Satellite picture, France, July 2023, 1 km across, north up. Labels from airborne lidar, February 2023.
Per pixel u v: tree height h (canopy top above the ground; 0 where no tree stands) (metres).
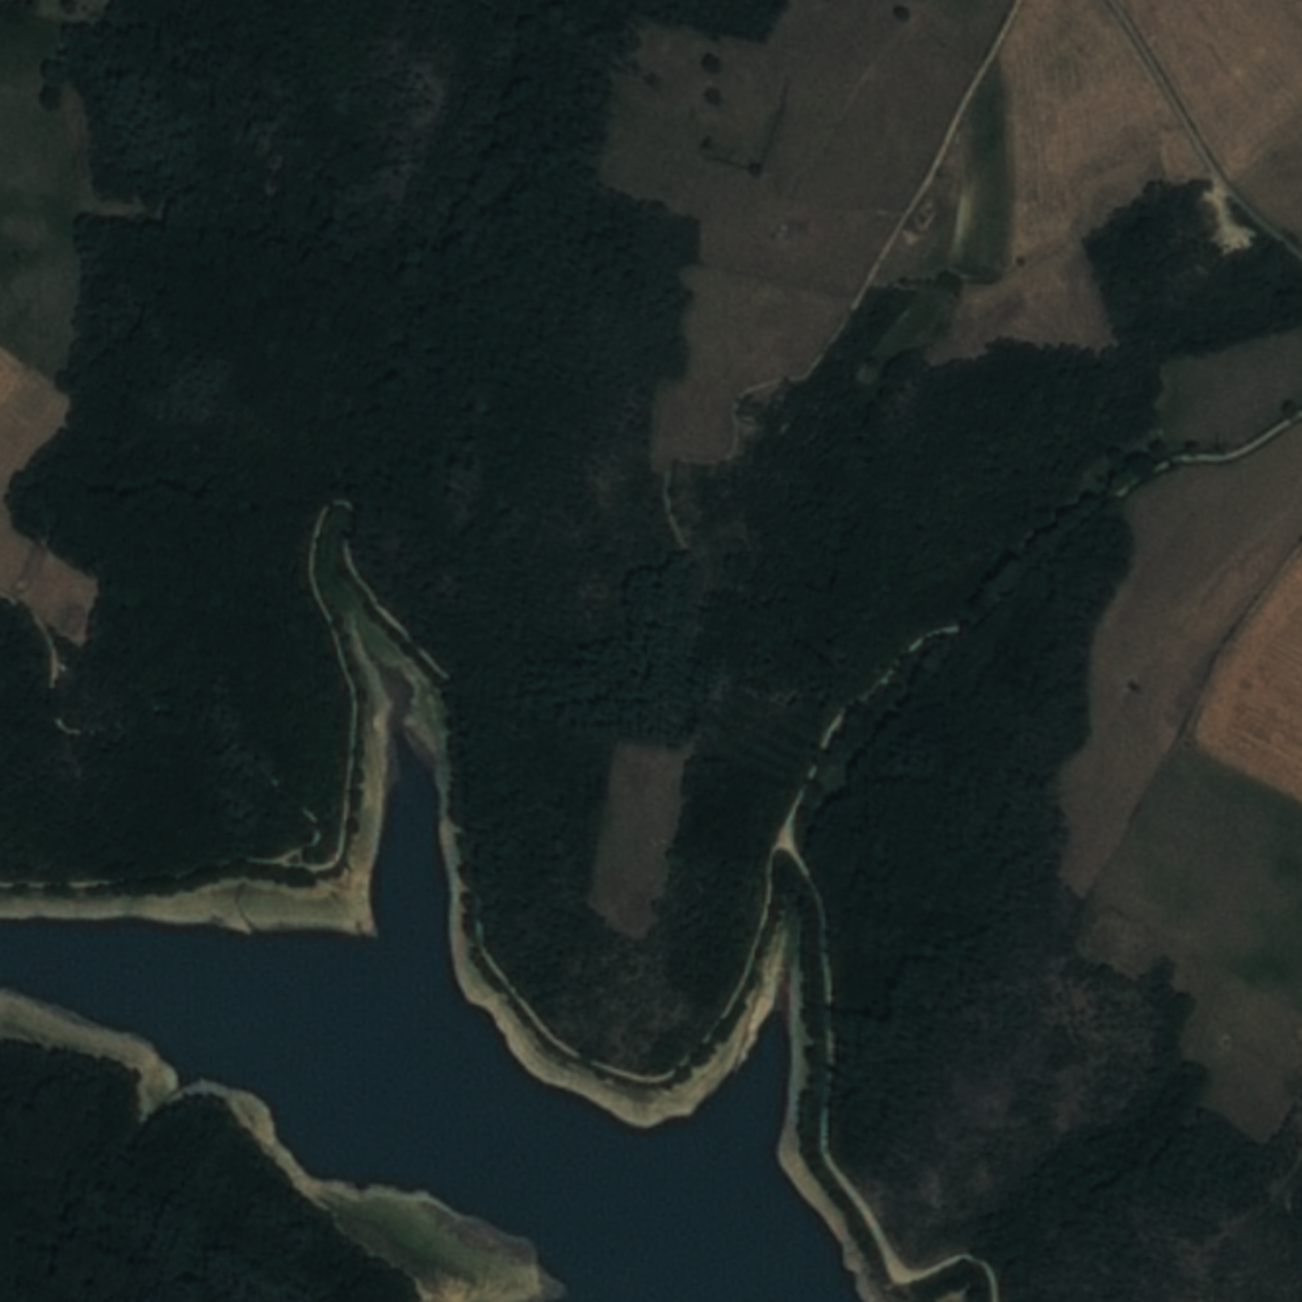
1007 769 6
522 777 16
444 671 10
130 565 19
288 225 25
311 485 20
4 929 0
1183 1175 13
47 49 0
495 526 15
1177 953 0
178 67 15
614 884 0
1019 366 12
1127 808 0
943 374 9
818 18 0
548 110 18
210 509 25
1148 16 0
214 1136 17
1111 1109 8
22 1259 26
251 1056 0
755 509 7
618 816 0
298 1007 0
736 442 0
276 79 28
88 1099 17
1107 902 0
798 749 0
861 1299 0
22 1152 27
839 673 12
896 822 19
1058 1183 20
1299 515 0
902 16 10
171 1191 13
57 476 17
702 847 6
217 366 18
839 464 18
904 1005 19
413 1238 0
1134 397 8
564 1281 0
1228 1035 0
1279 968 0
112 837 17
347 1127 0
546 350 11
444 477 20
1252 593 0
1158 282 7
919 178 0
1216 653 0
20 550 0
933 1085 9
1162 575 0
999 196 0
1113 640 0
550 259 12
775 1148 0
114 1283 30
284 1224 18
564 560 8
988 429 17
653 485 7
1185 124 0
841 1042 7
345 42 15
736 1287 0
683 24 10
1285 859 0
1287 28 0
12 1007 0
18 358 0
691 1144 0
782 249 0
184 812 22
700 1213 0
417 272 28
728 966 13
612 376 5
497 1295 0
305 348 20
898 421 8
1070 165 0
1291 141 0
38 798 14
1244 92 0
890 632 16
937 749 24
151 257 17
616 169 0
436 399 23
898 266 0
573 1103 0
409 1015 0
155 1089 0
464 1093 0
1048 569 8
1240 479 0
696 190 0
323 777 16
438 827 0
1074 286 0
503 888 13
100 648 9
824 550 21
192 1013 0
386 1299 13
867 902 10
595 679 19
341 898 0
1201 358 10
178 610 25
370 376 17
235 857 19
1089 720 12
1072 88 0
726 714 0
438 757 0
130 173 8
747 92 0
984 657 7
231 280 16
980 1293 9
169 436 21
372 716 0
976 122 0
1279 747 0
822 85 0
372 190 20
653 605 20
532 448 14
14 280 0
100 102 12
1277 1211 6
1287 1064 0
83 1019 0
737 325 0
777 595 19
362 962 0
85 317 8
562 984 12
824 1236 0
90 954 0
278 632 23
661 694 21
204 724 23
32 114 0
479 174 17
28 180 0
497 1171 0
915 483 10
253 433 16
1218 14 0
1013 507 18
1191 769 0
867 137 0
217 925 0
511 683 19
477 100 23
